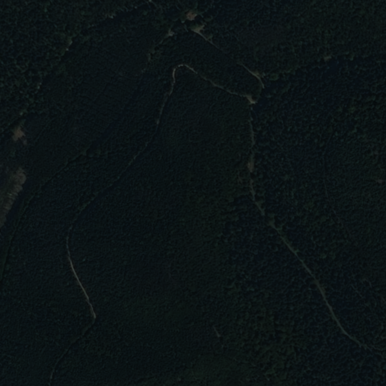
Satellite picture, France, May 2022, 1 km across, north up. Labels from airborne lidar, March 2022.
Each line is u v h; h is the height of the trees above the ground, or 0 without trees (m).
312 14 19
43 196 18
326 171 19
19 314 16
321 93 28
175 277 19
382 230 12
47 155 24
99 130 23
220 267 8
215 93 15
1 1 23
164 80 9
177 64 11
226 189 15
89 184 18
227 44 23
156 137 14
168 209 19
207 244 17
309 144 23
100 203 17
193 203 19
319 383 30
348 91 32
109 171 19
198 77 8
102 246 13
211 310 17
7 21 21
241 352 11
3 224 0
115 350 21
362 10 18
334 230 18
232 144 15
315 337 31
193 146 17
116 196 17
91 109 24
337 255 18
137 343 23
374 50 26
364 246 16
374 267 9
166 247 18
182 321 14
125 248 16
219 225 12
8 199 0
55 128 21
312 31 26
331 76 33
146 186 20
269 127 15
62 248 17
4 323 21
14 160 32
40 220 14
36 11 30
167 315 9
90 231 19
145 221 23
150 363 23
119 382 14
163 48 8
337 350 41
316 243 27
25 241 18
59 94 19
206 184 22
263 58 24
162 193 21
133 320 12
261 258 39
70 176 16
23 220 18
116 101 25
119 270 12
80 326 25
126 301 10
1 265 16
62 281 12
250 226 42
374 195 7
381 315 25
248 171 11
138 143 23
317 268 12
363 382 31
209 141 13
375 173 8
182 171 21
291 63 20
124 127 30
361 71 37
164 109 8
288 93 23
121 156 19
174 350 14
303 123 24
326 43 20
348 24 20
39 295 18
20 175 0
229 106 10
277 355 31
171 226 20
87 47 21
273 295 34
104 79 22
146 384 10
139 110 26
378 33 24
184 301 15
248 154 16
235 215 21
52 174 18
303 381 37
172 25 10
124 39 24
